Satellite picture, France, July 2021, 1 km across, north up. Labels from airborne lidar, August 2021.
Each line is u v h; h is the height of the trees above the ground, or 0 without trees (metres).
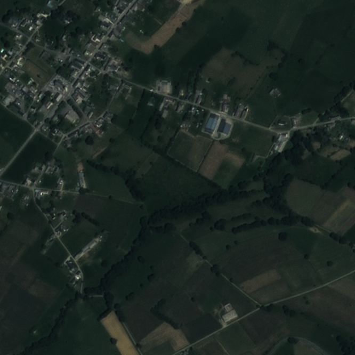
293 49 0
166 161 0
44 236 0
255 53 0
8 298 0
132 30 0
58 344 0
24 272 0
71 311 0
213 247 0
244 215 12
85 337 0
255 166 0
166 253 0
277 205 23
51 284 0
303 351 0
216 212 0
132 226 0
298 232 0
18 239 0
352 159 0
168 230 19
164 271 0
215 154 0
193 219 0
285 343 0
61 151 0
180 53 0
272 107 0
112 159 0
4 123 0
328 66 0
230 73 0
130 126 8
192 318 0
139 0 0
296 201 0
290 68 0
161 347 0
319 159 0
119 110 0
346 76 0
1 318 0
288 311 14
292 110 0
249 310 0
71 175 0
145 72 0
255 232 0
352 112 0
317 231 0
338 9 0
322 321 0
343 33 0
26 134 0
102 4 0
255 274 0
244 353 0
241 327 0
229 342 0
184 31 0
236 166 0
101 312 0
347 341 14
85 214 14
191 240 0
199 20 0
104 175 0
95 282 0
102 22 0
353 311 0
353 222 0
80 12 0
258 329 0
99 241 0
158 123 15
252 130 0
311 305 0
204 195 11
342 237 14
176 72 0
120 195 0
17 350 0
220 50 0
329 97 0
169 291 0
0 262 0
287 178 19
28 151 0
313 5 0
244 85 0
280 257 0
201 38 0
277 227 0
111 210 0
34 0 0
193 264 0
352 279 0
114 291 0
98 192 0
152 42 0
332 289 0
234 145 0
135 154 0
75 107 12
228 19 0
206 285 0
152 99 0
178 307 0
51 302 0
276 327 0
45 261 0
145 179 0
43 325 0
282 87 0
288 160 15
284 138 0
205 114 8
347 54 0
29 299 0
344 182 0
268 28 0
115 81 0
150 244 0
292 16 0
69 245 0
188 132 0
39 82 0
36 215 0
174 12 0
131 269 0
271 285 0
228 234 0
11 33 0
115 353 0
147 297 0
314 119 0
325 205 0
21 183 0
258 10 0
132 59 9
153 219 23
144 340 0
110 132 0
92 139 19
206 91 9
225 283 0
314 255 0
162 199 0
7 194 0
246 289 0
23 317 0
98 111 0
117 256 0
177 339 0
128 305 0
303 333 0
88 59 0
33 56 0
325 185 7
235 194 21
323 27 0
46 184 0
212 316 0
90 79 0
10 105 6
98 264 0
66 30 6
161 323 0
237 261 0
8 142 0
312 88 0
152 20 0
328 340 0
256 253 0
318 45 0
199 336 0
